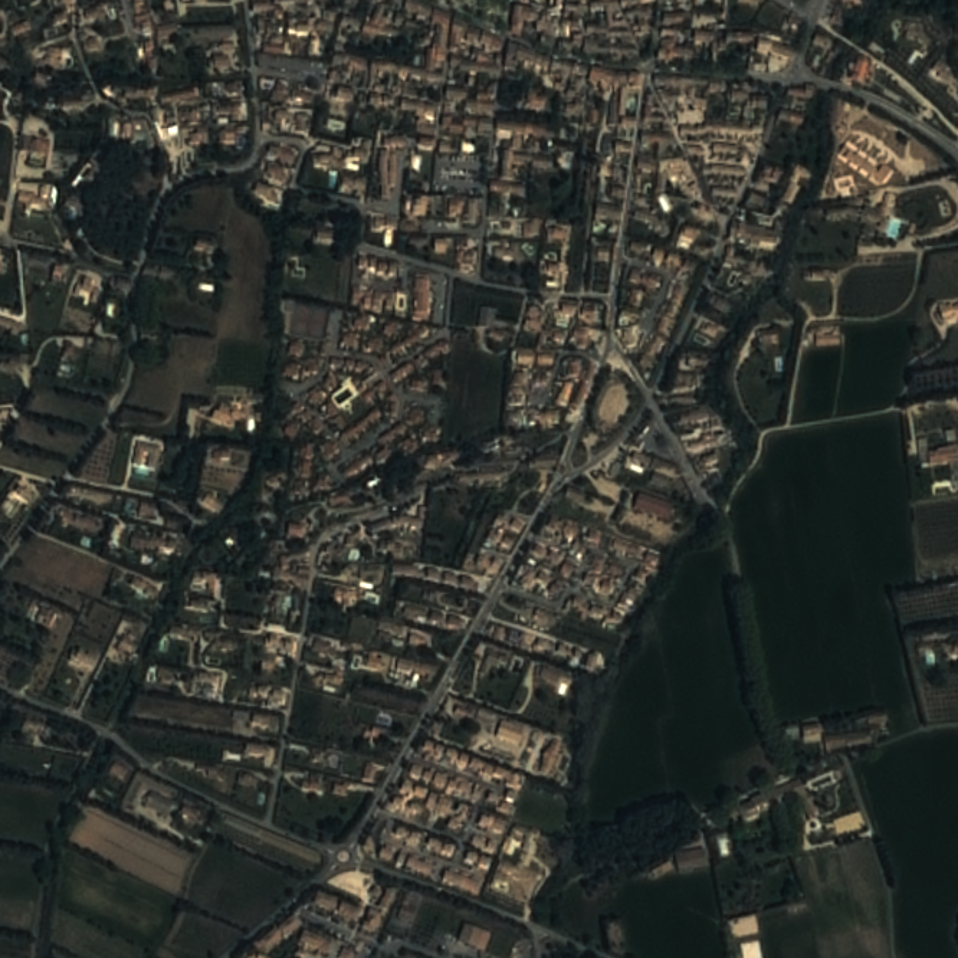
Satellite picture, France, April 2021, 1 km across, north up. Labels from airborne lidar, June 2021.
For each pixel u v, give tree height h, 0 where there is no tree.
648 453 6
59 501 9
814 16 0
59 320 0
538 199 12
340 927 0
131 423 0
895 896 0
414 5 0
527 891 0
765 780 23
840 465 0
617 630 0
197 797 11
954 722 0
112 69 7
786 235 12
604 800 0
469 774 0
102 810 10
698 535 8
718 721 0
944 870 0
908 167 0
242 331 0
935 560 0
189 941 0
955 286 0
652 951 0
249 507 8
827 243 0
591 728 20
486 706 10
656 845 19
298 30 0
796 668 0
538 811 0
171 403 0
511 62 0
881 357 0
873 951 0
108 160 13
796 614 0
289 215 7
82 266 0
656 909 0
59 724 13
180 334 7
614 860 12
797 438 0
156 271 0
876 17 13
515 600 8
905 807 0
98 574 0
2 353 11
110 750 13
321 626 8
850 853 0
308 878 9
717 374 9
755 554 0
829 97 13
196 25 7
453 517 0
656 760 0
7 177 0
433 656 13
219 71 7
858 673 0
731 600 19
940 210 0
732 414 13
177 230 10
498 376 0
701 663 0
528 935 10
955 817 0
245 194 6
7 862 0
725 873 0
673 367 12
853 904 0
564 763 0
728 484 9
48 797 0
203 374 0
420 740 9
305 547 17
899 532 0
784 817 24
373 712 0
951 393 8
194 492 15
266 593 15
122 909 0
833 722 12
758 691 28
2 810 0
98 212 11
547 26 0
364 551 9
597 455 0
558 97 7
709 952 0
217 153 13
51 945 7
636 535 0
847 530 0
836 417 0
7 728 13
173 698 10
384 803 8
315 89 15
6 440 11
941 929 0
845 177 0
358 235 18
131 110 6
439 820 0
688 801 18
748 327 11
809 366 0
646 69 0
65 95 7
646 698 0
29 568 0
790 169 12
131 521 8
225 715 0
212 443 13
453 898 9
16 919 0
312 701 0
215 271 10
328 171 7
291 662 11
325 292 0
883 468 0
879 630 0
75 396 15
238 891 0
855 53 9
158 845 0
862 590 0
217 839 8
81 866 0
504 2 10
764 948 0
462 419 0
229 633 7
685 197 7
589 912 0
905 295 0
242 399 0
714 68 16
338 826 15
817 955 0
